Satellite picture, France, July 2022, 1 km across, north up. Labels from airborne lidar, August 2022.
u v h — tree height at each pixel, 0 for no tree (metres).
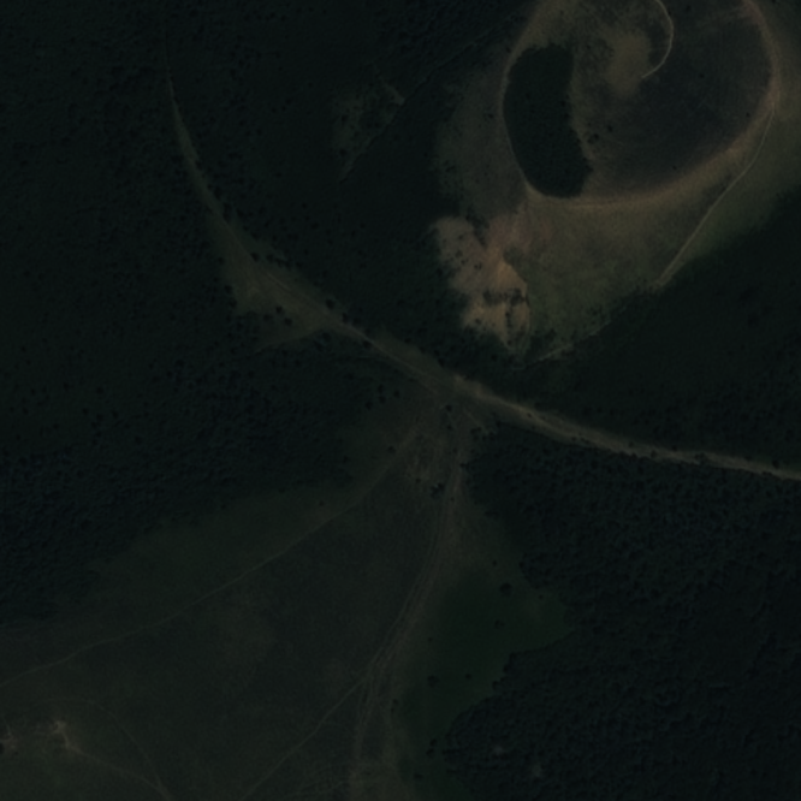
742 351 6
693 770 24
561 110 8
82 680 0
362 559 0
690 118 0
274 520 0
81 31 8
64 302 6
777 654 19
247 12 7
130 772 0
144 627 0
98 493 7
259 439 14
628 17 0
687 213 0
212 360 8
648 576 10
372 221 6
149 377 6
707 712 19
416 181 6
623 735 20
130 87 16
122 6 15
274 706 0
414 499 0
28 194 9
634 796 16
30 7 6
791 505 18
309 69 6
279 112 7
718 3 0
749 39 0
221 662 0
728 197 0
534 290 0
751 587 24
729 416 17
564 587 7
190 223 7
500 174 0
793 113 0
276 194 8
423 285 6
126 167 14
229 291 14
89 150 7
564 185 7
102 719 0
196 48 7
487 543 0
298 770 0
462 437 0
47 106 6
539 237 0
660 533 14
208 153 6
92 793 0
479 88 0
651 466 7
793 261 5
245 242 0
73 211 6
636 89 0
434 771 0
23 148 13
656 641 19
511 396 7
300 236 14
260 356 7
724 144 0
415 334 7
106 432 5
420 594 0
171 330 7
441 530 0
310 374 6
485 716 13
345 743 0
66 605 0
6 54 6
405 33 8
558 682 17
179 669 0
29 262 9
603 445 0
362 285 7
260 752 0
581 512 16
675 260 0
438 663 0
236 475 6
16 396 6
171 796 0
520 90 7
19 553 12
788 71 0
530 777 12
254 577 0
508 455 8
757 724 22
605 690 8
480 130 0
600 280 0
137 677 0
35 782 0
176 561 0
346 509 0
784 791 19
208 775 0
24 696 0
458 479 0
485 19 6
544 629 0
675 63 0
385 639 0
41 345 6
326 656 0
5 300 6
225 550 0
